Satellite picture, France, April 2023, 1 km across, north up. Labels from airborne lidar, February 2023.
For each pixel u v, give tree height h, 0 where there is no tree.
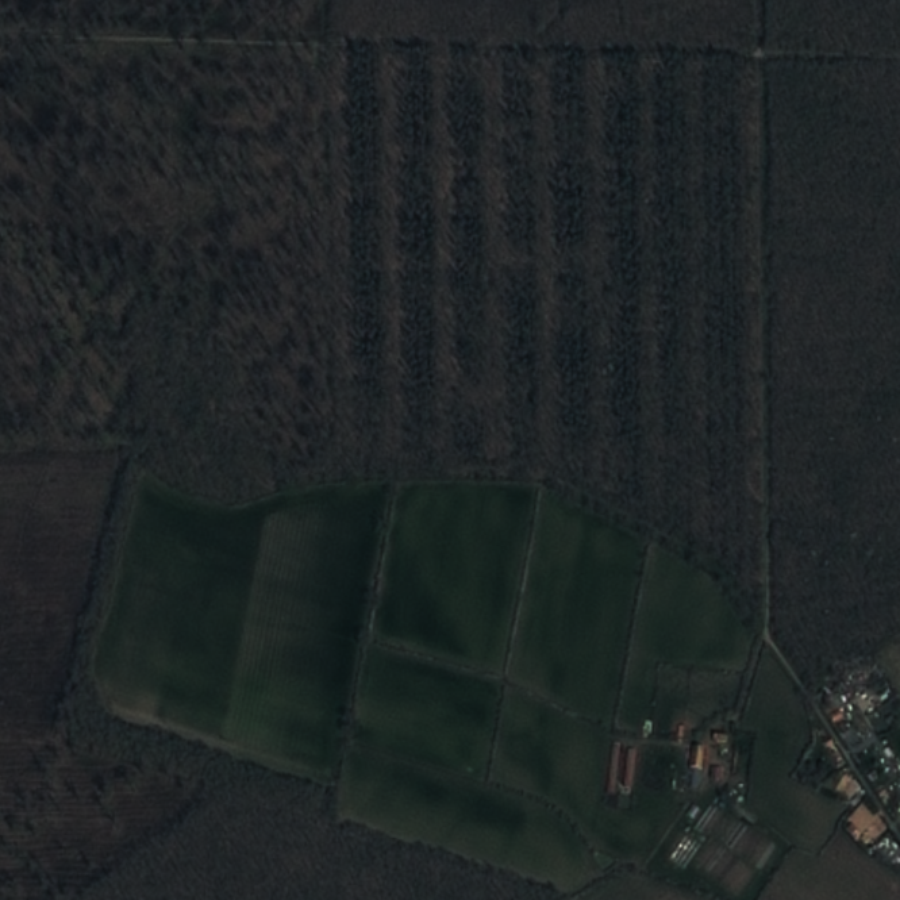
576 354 24
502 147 21
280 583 0
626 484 16
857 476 15
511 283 21
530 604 0
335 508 0
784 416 16
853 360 18
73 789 0
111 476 0
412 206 24
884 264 19
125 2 0
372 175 20
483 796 0
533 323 17
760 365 20
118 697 0
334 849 19
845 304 14
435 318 21
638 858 0
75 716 16
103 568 19
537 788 0
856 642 18
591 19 12
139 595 0
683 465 19
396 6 15
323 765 0
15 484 0
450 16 11
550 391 22
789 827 0
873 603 16
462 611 0
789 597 15
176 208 0
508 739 0
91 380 29
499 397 21
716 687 0
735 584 12
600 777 0
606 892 0
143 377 17
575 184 17
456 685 0
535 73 21
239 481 12
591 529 0
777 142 19
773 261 14
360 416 21
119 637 0
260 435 24
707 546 16
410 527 0
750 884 0
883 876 0
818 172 19
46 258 28
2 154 0
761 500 14
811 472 16
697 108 18
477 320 20
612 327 21
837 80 17
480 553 0
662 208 18
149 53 0
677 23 12
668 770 0
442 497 0
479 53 22
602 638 0
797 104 16
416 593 0
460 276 16
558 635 0
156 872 21
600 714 0
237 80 21
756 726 0
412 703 0
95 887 18
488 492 0
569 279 19
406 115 21
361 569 0
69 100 0
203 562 0
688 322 20
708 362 20
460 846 0
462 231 18
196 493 9
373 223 18
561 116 20
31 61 30
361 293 21
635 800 0
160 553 0
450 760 0
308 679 0
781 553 13
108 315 27
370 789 0
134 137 28
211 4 0
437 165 21
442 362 23
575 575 0
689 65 17
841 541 17
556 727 0
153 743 22
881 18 18
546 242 20
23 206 31
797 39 12
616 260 17
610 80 18
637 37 14
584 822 0
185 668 0
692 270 18
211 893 22
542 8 8
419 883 18
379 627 0
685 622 0
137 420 21
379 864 17
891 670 0
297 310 0
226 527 0
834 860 0
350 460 19
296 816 21
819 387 17
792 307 18
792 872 0
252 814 24
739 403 19
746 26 14
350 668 0
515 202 21
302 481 18
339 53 7
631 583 0
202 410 17
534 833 0
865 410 13
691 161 19
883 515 18
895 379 14
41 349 34
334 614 0
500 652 0
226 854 25
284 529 0
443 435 20
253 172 31
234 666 0
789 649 13
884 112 17
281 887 22
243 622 0
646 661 0
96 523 0
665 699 0
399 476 19
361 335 21
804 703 14
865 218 17
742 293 18
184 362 19
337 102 23
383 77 23
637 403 19
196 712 0
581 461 19
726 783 0
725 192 23
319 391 29
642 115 21
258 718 0
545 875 0
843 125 18
